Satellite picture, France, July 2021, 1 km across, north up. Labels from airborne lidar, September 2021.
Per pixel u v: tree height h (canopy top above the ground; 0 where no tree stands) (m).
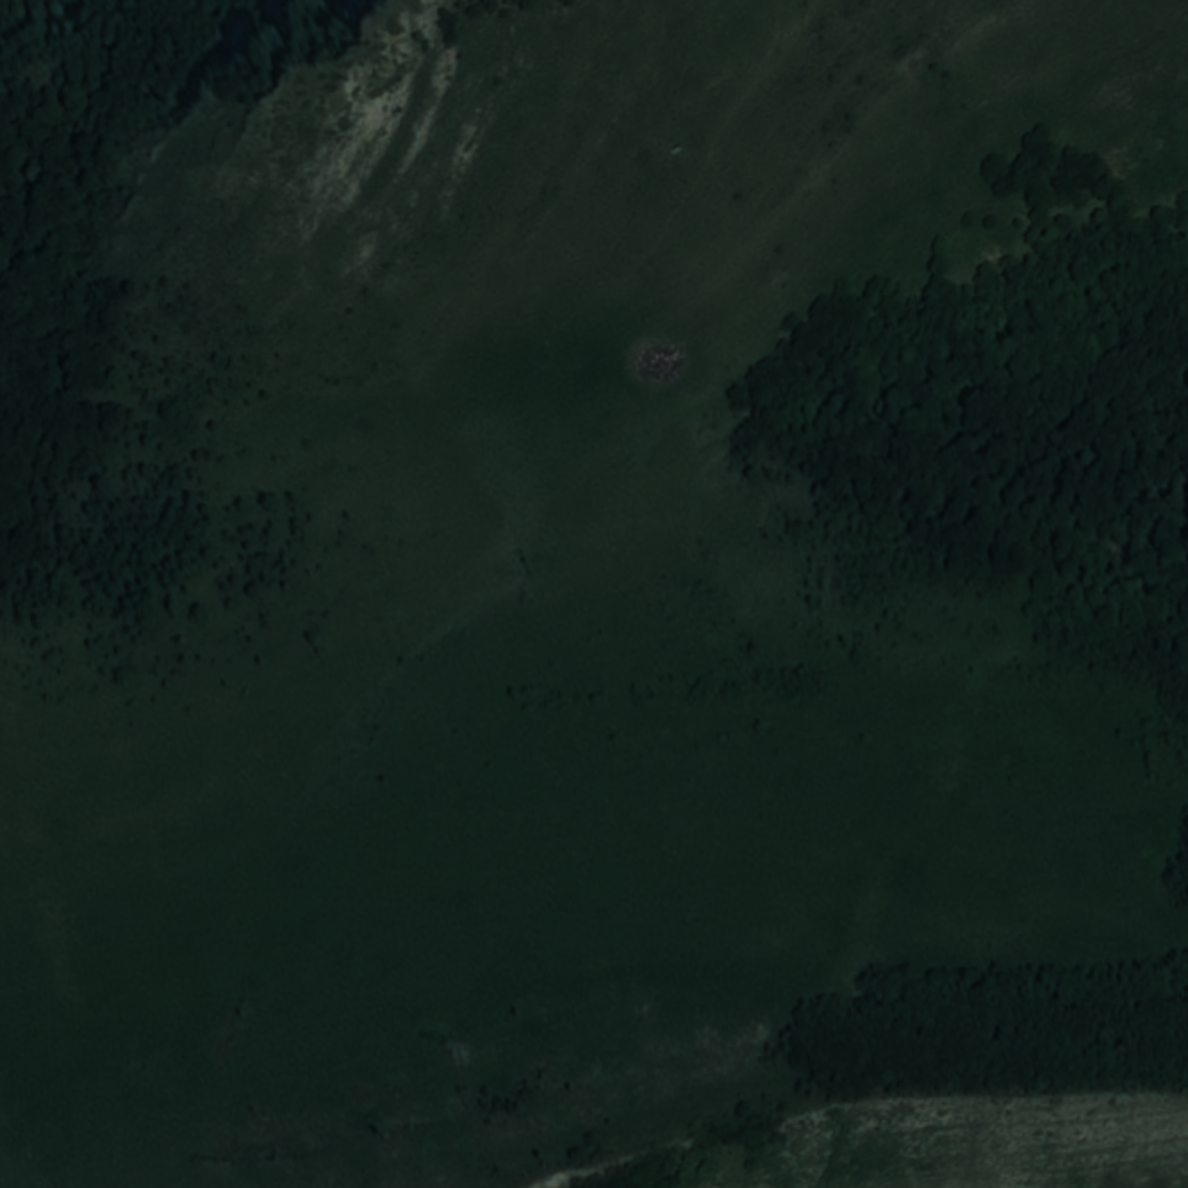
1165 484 30
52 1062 0
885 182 0
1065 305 27
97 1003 0
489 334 0
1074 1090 9
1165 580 26
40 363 21
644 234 0
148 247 0
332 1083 0
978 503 29
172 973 0
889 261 0
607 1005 0
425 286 0
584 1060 0
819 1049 16
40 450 20
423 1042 0
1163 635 19
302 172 0
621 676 0
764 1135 11
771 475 11
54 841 0
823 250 0
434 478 0
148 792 0
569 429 0
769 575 0
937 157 0
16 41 21
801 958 0
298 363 0
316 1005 0
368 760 0
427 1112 0
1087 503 28
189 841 0
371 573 0
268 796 0
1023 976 6
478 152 0
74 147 14
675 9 0
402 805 0
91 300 13
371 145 0
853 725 0
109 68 28
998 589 7
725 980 0
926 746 0
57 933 0
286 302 0
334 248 0
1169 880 10
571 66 0
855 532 10
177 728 0
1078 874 0
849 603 6
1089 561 24
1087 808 0
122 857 0
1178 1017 22
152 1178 0
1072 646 10
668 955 0
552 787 0
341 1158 0
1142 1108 0
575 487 0
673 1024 0
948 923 0
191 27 30
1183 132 0
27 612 12
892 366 25
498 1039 0
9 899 0
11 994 0
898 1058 20
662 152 0
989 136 0
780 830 0
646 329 0
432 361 0
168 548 9
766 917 0
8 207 28
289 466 0
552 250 0
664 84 0
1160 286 23
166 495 10
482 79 0
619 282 0
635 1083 0
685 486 0
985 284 21
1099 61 0
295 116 0
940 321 21
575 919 0
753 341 0
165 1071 0
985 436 29
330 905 0
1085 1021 22
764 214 0
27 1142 0
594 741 0
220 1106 0
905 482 22
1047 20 0
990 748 0
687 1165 11
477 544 0
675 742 0
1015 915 0
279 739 0
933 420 27
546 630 0
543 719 0
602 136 0
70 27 29
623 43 0
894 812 0
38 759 0
